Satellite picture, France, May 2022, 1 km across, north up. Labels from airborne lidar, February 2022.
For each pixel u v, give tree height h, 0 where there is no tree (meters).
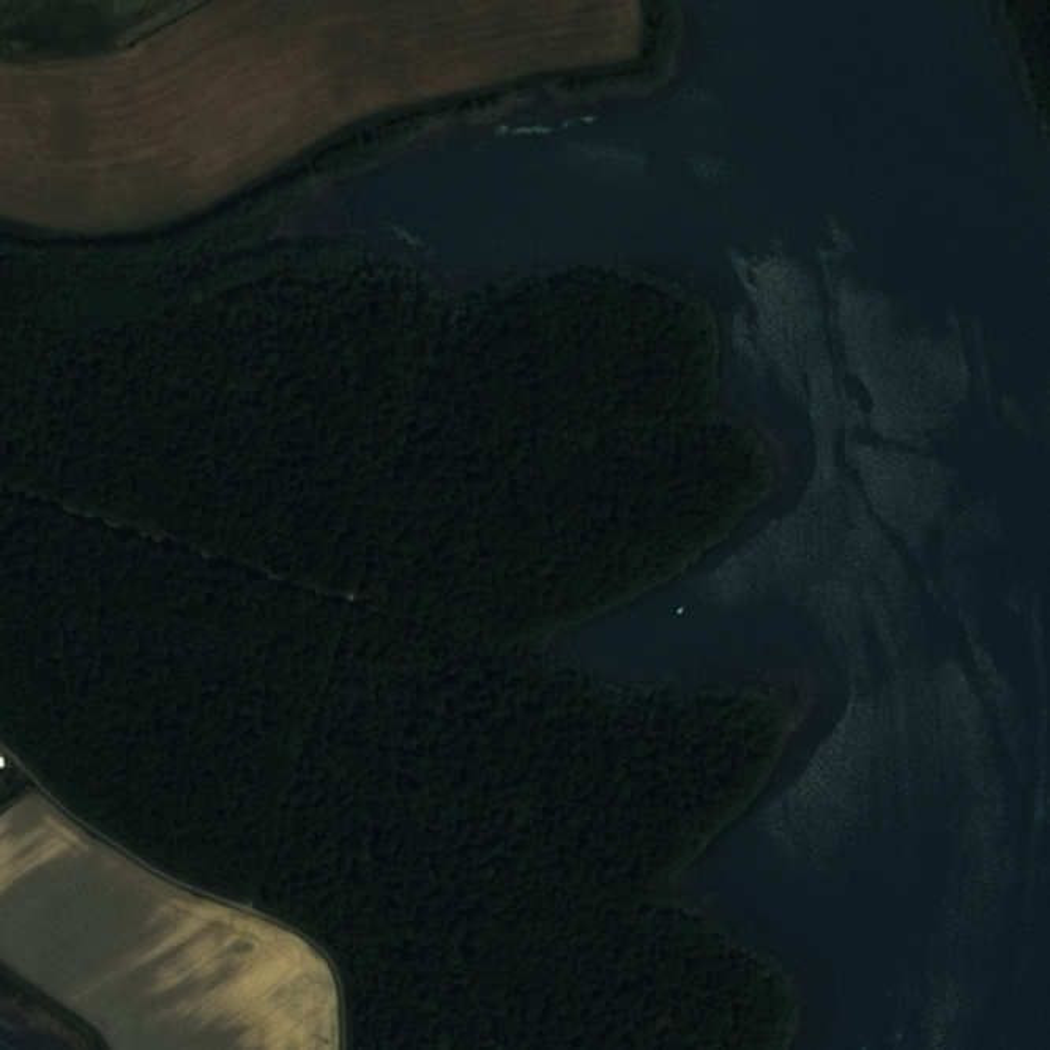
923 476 0
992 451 0
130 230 0
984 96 0
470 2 0
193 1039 0
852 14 0
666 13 7
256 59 0
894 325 0
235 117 0
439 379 29
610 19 0
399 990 23
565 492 29
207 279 23
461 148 0
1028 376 0
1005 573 0
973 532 0
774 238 0
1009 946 0
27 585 21
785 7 0
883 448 0
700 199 0
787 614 0
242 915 0
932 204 0
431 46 0
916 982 0
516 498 26
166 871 0
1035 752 0
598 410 24
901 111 0
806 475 0
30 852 0
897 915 0
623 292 24
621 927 27
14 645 22
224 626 23
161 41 0
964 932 0
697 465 27
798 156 0
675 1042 25
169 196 0
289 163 0
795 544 0
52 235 0
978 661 0
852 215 0
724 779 24
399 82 0
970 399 0
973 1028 0
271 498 26
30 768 0
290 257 23
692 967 25
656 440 29
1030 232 0
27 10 0
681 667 0
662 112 0
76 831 0
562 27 0
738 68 0
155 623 22
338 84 0
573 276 13
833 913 0
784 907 0
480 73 0
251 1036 0
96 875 0
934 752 0
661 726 26
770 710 8
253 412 19
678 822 26
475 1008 22
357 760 26
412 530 29
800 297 0
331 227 0
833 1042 0
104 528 19
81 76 0
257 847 22
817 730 0
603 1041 28
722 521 18
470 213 0
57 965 0
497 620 24
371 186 0
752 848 0
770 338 0
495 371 28
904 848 0
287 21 0
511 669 25
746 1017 24
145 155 0
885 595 0
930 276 0
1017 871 0
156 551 19
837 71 0
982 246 0
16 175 0
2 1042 0
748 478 23
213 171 0
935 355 0
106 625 24
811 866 0
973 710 0
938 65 0
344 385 23
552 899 27
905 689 0
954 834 0
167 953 0
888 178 0
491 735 22
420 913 27
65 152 0
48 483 24
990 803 0
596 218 0
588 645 0
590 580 23
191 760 23
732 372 0
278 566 21
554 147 0
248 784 22
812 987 0
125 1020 0
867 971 0
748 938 0
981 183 0
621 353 22
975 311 0
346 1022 0
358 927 24
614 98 0
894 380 0
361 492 23
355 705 22
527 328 28
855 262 0
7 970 0
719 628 0
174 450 20
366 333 27
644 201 0
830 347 0
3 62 0
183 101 0
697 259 0
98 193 0
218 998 0
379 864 26
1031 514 0
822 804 0
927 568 0
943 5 0
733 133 0
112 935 0
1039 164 0
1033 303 0
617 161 0
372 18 0
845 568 0
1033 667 0
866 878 0
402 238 0
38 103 0
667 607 0
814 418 0
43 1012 0
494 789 25
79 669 19
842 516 0
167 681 22
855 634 0
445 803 23
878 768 0
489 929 24
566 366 28
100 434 18
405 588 27
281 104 0
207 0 0
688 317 25
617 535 28
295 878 24
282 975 0
